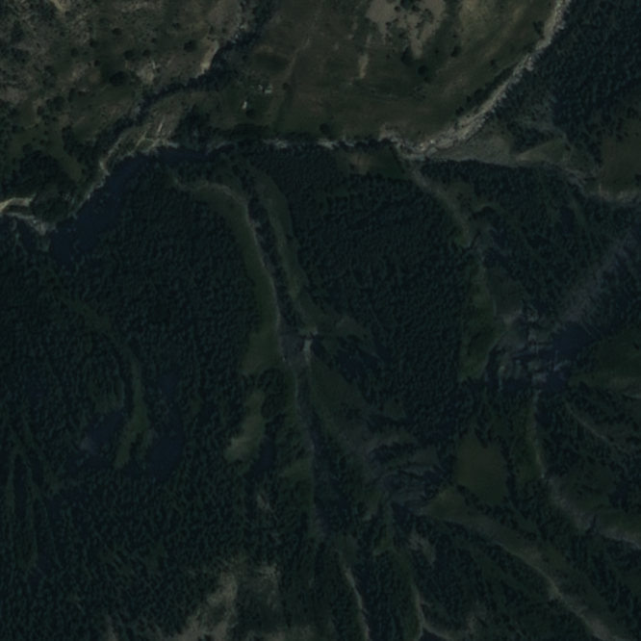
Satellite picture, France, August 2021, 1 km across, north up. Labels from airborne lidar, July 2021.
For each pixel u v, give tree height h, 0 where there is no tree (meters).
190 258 12
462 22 0
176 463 9
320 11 0
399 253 28
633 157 0
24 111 0
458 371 12
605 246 7
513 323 0
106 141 14
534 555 0
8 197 9
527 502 12
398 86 0
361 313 20
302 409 0
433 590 10
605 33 17
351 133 0
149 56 12
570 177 0
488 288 0
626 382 0
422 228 26
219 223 13
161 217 18
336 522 13
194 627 0
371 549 20
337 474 10
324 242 25
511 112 14
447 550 26
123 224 24
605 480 0
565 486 0
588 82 14
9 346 12
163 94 7
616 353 0
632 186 0
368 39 0
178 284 12
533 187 12
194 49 18
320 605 6
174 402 16
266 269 0
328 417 0
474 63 0
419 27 8
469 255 8
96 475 17
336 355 0
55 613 22
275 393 12
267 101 0
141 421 0
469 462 0
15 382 6
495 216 21
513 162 0
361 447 0
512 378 0
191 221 16
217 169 11
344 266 29
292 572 12
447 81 0
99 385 7
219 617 0
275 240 25
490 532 0
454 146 0
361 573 13
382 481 0
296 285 0
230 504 28
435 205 14
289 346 0
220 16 0
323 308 9
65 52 0
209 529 26
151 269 11
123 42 0
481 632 0
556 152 0
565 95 7
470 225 0
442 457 16
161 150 0
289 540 14
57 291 9
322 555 15
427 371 17
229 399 19
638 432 20
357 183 12
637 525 0
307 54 0
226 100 0
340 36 0
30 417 7
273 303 0
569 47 16
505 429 0
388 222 21
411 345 16
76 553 10
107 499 8
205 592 10
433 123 0
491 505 0
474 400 12
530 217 25
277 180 15
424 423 13
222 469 24
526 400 10
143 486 19
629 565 8
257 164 13
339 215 11
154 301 11
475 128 0
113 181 0
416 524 13
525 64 0
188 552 25
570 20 16
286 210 0
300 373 0
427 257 13
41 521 16
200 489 19
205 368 17
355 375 16
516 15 0
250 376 0
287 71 0
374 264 28
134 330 10
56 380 8
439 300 18
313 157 14
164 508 21
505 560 11
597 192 0
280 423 14
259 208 14
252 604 8
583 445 11
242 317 24
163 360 9
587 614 0
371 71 0
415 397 13
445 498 0
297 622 0
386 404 11
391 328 24
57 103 13
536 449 0
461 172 17
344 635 15
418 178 0
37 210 21
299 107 0
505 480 0
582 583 0
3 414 7
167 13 0
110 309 14
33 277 15
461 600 10
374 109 0
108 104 0
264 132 14
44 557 8
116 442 16
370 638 0
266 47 0
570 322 0
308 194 14
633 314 13
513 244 21
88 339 16
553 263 21
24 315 13
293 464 9
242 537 11
